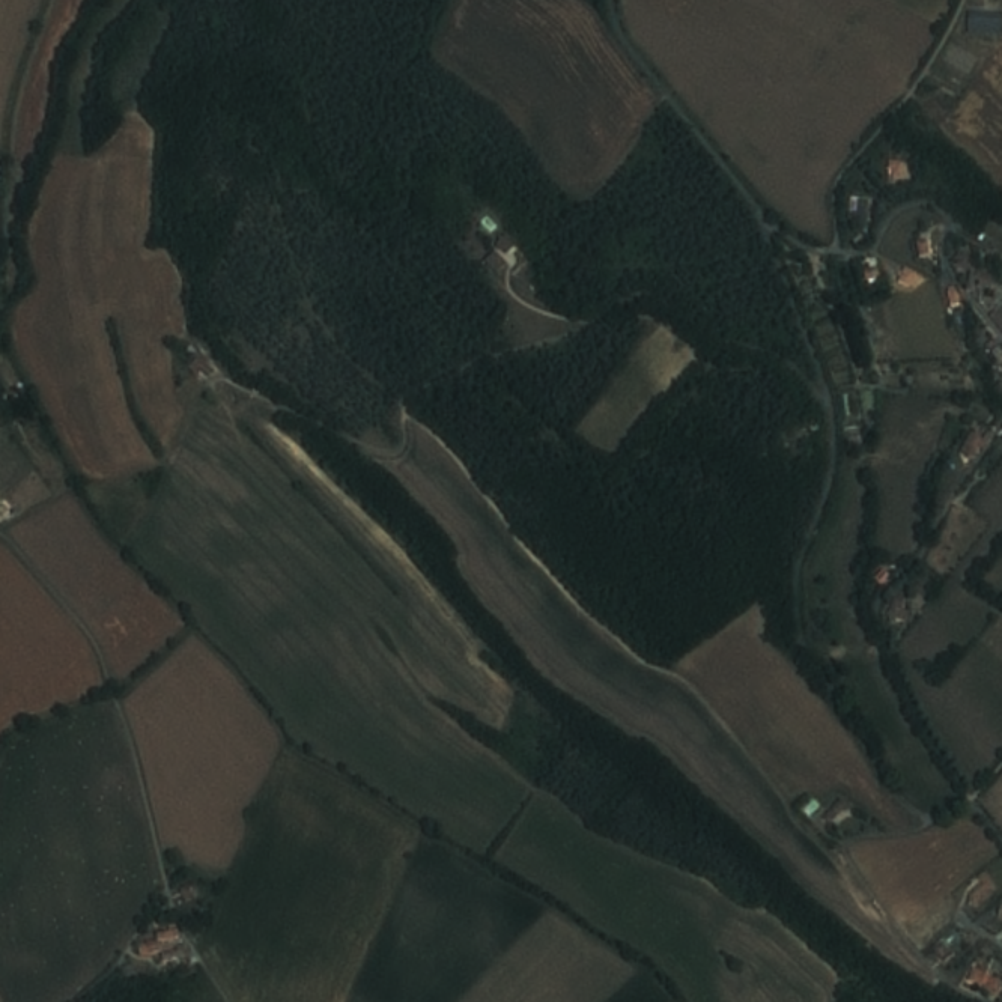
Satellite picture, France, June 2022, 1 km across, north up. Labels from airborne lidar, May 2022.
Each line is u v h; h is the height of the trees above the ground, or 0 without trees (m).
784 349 10
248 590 0
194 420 0
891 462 0
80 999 9
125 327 0
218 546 0
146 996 13
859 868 0
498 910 0
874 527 15
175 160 12
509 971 0
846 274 9
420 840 0
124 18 14
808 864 0
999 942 0
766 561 13
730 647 0
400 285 20
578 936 0
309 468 0
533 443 7
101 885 0
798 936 8
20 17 0
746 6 0
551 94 0
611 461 17
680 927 0
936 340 0
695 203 18
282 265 11
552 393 19
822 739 0
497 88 0
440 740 0
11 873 0
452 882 0
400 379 15
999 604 13
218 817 0
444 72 16
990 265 11
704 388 8
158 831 0
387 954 0
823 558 0
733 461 12
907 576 14
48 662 0
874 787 0
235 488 0
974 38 0
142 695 0
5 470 0
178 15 10
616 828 15
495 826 0
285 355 10
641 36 0
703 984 0
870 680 0
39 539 0
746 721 0
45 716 0
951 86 0
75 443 0
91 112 21
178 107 16
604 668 0
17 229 18
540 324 0
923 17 0
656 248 16
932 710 0
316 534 0
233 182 7
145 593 0
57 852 0
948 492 0
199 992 0
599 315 14
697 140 8
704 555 13
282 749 0
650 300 14
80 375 0
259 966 0
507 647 14
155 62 14
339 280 13
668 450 10
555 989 0
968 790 13
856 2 0
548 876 0
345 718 0
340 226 14
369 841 0
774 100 0
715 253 20
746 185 0
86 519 0
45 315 0
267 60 15
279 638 0
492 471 13
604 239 5
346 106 21
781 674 0
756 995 0
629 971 0
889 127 12
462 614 12
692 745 0
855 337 24
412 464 0
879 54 0
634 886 0
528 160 17
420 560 12
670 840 13
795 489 14
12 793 0
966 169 11
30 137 0
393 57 19
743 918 0
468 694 0
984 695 0
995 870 0
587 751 10
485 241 9
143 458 0
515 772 0
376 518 13
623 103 0
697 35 0
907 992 15
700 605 13
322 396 11
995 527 0
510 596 0
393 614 0
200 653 0
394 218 16
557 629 0
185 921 13
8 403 11
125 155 0
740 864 19
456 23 0
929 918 0
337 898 0
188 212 10
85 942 0
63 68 20
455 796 0
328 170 17
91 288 0
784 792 0
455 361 16
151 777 0
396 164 19
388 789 0
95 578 0
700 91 0
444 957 0
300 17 16
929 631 0
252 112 15
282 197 9
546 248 7
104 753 0
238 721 0
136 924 9
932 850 0
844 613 0
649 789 12
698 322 16
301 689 0
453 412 15
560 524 12
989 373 12
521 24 0
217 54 10
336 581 0
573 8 0
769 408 14
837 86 0
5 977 0
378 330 18
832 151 0
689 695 0
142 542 0
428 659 0
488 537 0
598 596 11
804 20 0
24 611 0
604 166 0
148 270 0
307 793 0
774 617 15
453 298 18
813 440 9
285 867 0
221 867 0
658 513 9
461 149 6
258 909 0
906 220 0
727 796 0
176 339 7
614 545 15
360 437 12
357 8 21
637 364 0
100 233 0
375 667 0
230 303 13
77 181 0
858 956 13
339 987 0
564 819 0
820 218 0
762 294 20
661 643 12
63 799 0
